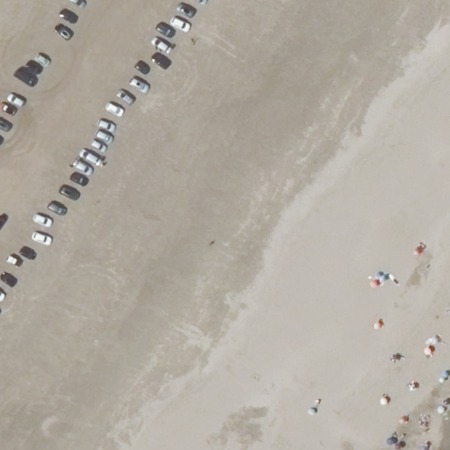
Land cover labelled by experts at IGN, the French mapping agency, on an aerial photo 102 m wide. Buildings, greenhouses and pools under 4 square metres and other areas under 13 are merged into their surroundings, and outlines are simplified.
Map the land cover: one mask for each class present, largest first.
<instances>
[{"label":"bare soil","instance_id":"1","mask_svg":"<svg viewBox=\"0 0 450 450\"><path fill-rule=\"evenodd\" d=\"M0 450H450V0H0Z\"/></svg>","mask_w":450,"mask_h":450}]
</instances>
